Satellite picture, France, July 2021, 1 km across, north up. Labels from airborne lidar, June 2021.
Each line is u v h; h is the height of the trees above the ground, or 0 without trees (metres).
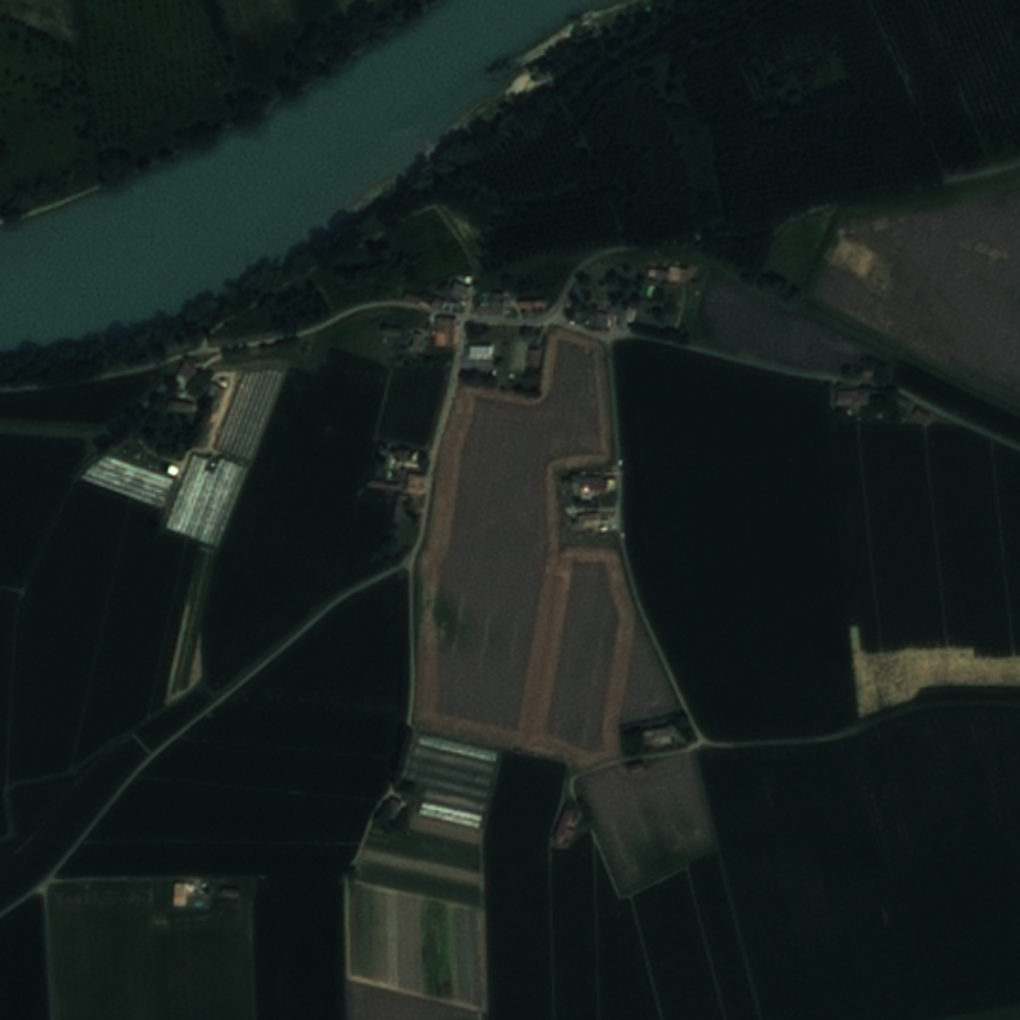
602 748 0
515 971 0
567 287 0
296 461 0
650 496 0
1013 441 0
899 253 0
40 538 0
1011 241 0
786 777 0
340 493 0
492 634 0
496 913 0
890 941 0
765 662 0
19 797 0
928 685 0
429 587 0
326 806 0
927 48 17
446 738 0
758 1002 0
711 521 0
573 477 8
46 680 0
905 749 0
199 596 0
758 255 29
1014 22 16
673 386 0
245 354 9
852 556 0
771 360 0
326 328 0
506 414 0
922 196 0
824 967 0
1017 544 0
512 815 0
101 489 0
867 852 0
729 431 0
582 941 0
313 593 0
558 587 0
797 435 0
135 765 0
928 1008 0
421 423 0
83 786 0
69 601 0
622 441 0
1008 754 0
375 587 0
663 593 0
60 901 0
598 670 0
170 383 14
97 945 0
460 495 0
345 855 0
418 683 0
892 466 0
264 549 0
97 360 26
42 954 0
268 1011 0
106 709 0
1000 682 0
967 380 0
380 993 0
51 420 0
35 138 0
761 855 0
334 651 0
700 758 0
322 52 25
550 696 0
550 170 10
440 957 0
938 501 0
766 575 0
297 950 0
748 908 0
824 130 33
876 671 0
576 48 16
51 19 0
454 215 0
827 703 0
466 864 0
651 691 0
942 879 0
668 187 37
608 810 0
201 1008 0
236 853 0
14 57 0
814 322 0
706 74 26
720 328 0
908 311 0
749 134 34
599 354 0
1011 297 0
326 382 0
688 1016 0
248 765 0
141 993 0
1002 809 0
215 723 0
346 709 0
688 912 0
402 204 21
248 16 0
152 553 0
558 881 0
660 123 33
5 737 0
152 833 0
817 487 0
